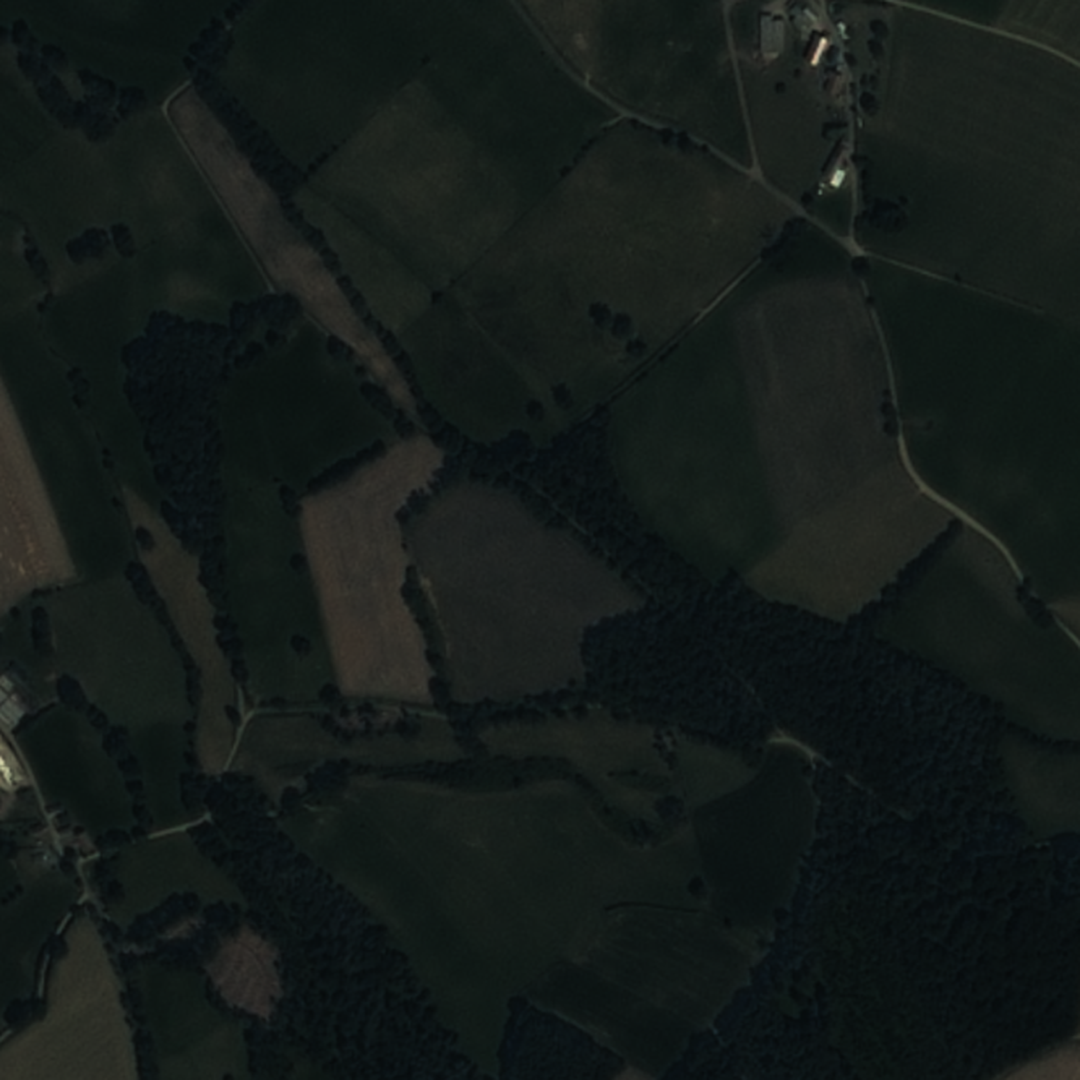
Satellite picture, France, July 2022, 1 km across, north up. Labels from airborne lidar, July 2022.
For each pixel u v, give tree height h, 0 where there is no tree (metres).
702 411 0
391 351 14
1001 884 23
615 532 18
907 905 23
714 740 18
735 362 0
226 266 0
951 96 0
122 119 11
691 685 21
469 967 0
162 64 0
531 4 0
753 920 0
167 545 0
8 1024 13
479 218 0
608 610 0
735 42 0
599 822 0
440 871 0
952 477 0
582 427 9
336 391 0
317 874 9
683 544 0
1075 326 0
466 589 0
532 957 0
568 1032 26
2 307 0
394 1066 21
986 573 0
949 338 0
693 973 0
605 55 0
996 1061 14
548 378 0
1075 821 0
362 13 0
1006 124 0
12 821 0
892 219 19
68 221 0
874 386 0
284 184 13
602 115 0
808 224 8
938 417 0
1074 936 24
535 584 0
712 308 0
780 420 0
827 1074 12
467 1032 0
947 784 10
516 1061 28
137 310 0
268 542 0
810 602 0
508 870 0
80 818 0
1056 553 0
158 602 16
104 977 0
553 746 0
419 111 0
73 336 0
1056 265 0
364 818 0
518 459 14
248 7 14
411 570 9
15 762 0
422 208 0
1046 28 0
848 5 0
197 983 0
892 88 0
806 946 21
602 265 0
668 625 25
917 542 0
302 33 0
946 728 17
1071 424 0
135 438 0
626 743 0
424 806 0
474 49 0
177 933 0
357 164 0
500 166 0
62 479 0
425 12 0
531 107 0
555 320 0
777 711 19
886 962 6
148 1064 18
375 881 0
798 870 0
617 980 0
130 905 0
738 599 23
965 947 19
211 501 25
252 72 0
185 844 0
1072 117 0
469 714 11
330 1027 13
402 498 0
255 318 20
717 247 0
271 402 0
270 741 0
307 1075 0
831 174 0
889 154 0
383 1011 7
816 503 0
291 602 0
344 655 0
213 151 0
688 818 16
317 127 0
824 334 0
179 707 0
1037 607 16
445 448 15
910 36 0
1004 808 6
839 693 20
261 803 12
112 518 0
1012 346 0
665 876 0
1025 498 0
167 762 0
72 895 0
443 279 0
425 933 0
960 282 8
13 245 0
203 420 16
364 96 0
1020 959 23
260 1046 21
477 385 0
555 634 0
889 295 0
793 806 0
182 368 20
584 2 0
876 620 18
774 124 0
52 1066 0
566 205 0
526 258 0
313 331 0
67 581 0
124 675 0
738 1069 24
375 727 21
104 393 0
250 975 0
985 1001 21
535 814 0
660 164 0
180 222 0
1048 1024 22
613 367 0
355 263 0
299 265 0
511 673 0
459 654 0
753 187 0
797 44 0
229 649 20
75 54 0
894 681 25
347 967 20
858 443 0
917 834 24
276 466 0
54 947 20
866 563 0
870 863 21
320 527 0
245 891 21
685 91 0
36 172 0
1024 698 0
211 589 24
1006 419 0
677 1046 0
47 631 18
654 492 0
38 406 0
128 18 0
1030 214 0
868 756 29
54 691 0
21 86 0
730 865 0
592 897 0
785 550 0
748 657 20
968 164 0
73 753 0
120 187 0
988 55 0
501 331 0
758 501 0
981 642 0
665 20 0
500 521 0
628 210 0
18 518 0
